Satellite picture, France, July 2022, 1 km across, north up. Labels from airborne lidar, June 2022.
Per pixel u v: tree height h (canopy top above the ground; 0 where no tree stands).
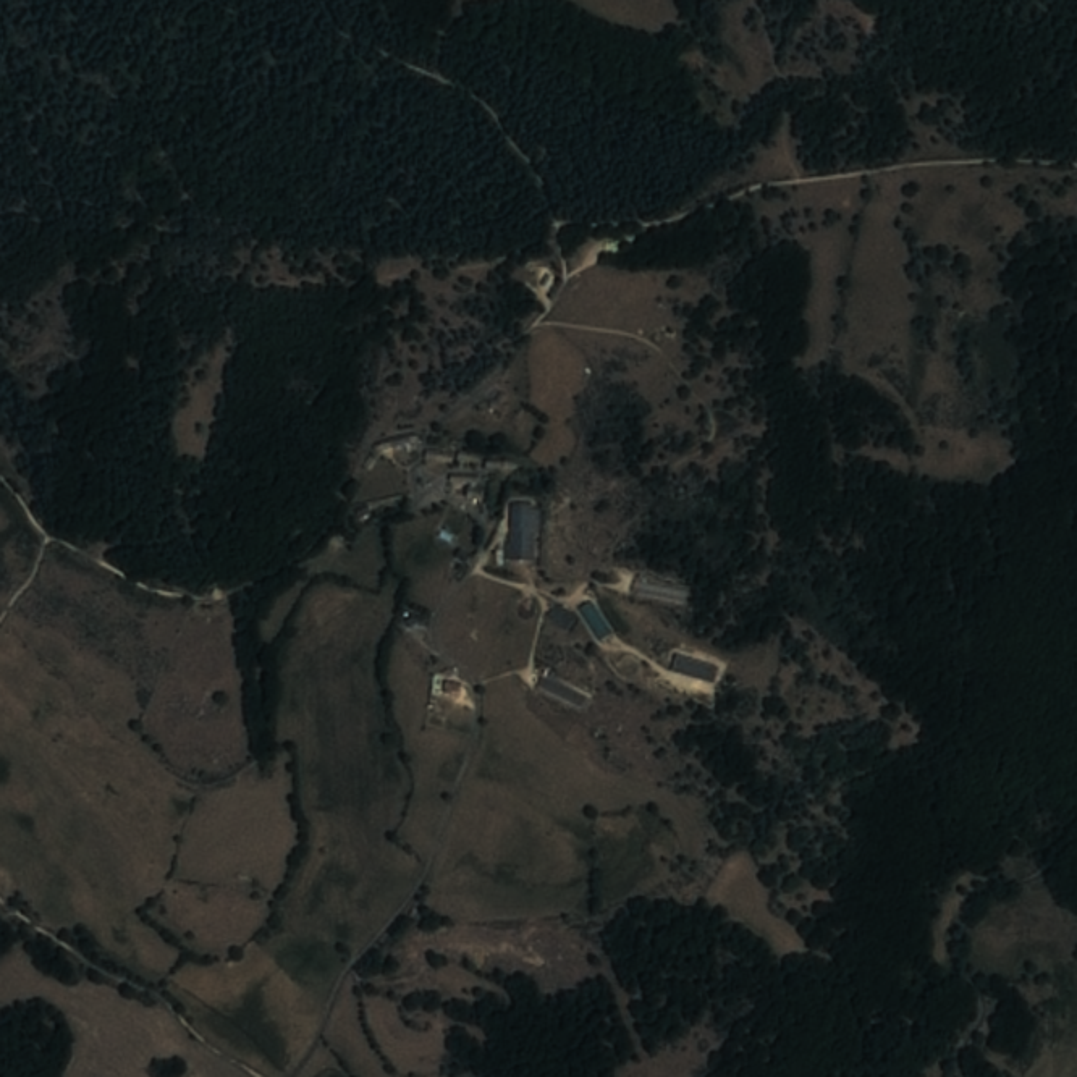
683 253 12
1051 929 0
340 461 14
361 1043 0
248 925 0
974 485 12
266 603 20
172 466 10
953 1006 14
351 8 24
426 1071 0
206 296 9
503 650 0
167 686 0
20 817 0
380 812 0
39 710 0
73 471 14
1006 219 0
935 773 17
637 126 23
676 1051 0
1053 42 11
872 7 16
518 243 17
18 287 13
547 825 0
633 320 0
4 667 0
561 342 0
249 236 10
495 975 11
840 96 10
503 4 10
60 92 14
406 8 13
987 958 0
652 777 0
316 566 0
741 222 9
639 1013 17
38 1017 16
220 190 7
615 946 12
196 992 0
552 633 0
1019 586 22
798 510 10
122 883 0
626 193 23
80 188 15
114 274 14
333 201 11
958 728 19
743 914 0
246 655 19
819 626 0
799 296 12
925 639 11
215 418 9
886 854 22
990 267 0
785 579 8
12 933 11
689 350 10
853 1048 22
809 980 22
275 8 22
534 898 0
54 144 20
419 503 0
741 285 11
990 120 14
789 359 8
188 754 0
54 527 10
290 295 14
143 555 18
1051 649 17
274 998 0
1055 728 22
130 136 10
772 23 6
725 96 15
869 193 10
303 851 12
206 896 0
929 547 15
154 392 16
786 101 12
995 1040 16
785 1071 13
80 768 0
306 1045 0
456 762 0
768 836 13
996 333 0
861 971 22
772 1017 13
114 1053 0
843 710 0
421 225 20
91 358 13
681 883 0
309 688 0
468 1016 14
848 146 6
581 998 14
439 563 0
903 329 0
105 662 0
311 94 15
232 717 0
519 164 22
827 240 0
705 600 7
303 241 12
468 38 12
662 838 0
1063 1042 0
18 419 26
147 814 0
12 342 10
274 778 0
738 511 8
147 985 8
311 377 12
